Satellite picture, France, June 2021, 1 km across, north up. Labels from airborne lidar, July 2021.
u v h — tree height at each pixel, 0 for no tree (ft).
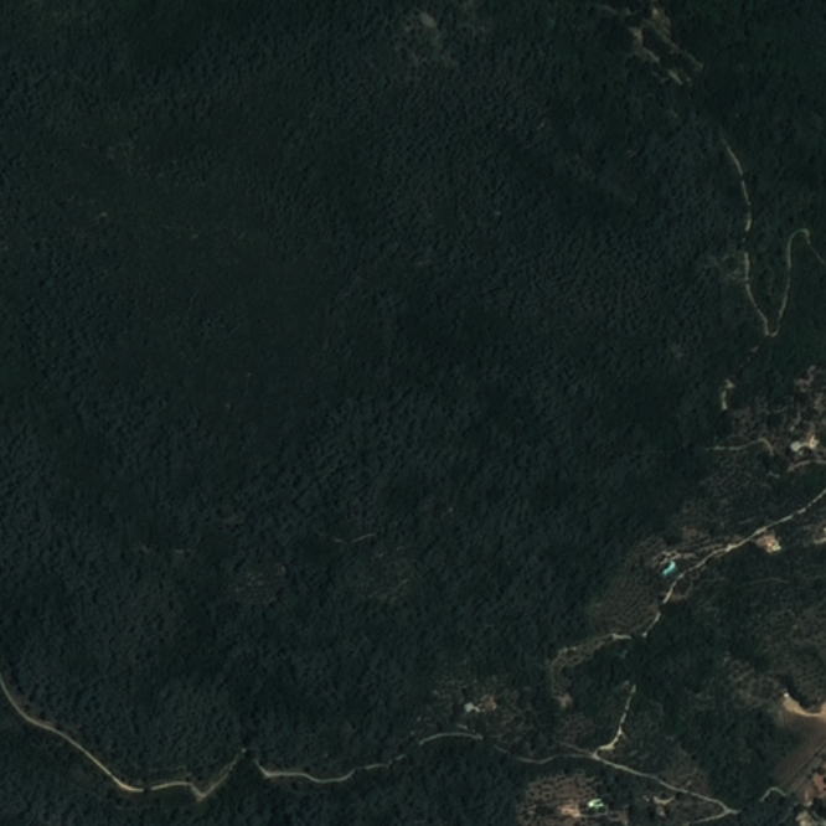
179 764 54
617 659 35
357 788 48
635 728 22
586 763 19
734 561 31
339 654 68
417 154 59
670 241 65
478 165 50
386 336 36
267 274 20
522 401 55
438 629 64
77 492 49
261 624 44
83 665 56
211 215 20
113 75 46
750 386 29
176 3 30
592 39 25
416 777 35
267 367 36
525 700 31
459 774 61
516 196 58
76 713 59
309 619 72
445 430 71
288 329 30
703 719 48
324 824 73
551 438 77
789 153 46
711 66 31
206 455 33
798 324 29
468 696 55
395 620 69
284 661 69
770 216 46
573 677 46
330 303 20
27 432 60
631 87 54
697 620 33
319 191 36
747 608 23
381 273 35
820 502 19
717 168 46
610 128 40
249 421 27
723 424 47
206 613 36
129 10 33
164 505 62
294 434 34
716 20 21
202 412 31
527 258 54
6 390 28
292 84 21
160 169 36
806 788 0
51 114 41
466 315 50
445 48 30
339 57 59
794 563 22
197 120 53
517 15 21
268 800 70
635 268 54
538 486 35
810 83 25
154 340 26
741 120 41
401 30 51
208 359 39
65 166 24
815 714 0
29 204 35
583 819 17
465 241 45
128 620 57
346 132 40
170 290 25
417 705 32
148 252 20
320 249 26
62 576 75
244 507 65
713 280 50
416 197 47
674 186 57
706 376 34
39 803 70
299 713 45
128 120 18
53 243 21
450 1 25
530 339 26
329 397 38
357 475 62
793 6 21
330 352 28
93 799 59
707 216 62
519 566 64
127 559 72
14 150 22
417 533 50
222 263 21
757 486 19
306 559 57
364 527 26
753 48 30
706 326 57
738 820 30
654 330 45
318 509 68
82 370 27
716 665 73
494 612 58
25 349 38
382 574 21
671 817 23
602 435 49
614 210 54
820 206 22
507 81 50
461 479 50
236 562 54
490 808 71
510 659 23
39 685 68
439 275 27
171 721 53
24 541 70
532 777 29
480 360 57
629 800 49
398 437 73
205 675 62
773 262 33
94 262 22
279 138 27
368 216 39
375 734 65
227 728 65
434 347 47
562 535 57
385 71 37
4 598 42
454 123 48
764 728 44
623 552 22
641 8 30
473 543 53
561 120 34
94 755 24
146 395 32
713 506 26
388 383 46
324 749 55
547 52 42
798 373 39
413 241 58
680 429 75
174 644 54
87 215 18
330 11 32
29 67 26
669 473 32
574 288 44
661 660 49
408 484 47
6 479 62
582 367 33
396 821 73
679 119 21
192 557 60
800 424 29
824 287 39
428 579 36
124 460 71
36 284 24
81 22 41
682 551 20
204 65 53
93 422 65
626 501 27
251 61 50
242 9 48
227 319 24
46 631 71
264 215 45
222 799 39
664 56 32
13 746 33
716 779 44
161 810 47
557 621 53
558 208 41
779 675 32
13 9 20
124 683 48
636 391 47
